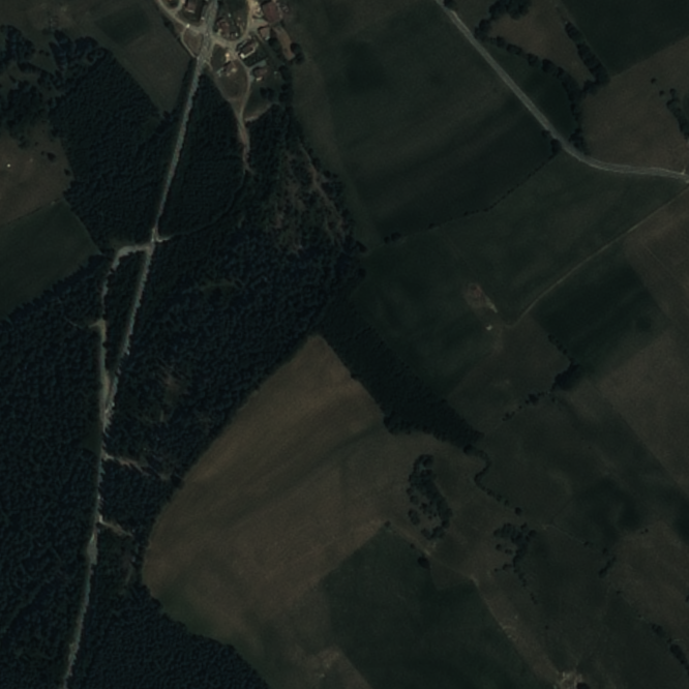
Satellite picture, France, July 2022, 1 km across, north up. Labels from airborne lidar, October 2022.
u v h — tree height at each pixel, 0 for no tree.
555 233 0
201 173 14
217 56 0
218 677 21
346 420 0
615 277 0
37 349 26
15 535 36
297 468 0
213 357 18
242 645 0
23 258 0
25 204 0
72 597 30
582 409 0
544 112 0
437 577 0
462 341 0
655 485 0
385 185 0
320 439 0
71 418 33
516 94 0
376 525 0
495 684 0
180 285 16
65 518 32
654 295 0
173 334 12
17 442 36
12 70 0
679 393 0
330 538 0
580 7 0
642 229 0
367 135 0
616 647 0
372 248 0
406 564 0
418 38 0
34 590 32
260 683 25
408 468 0
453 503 0
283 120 17
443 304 0
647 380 0
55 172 0
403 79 0
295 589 0
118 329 15
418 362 0
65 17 0
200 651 27
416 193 0
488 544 0
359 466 0
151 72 0
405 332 0
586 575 0
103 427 0
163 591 0
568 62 0
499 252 0
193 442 35
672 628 0
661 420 0
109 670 22
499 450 0
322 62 0
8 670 24
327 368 0
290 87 8
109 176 23
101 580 15
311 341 0
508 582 0
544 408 0
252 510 0
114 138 22
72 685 15
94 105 10
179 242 14
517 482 0
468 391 0
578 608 0
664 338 0
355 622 0
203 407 26
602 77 24
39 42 0
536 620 0
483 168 0
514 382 0
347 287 11
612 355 0
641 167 0
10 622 10
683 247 0
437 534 11
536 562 0
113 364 10
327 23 0
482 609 0
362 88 0
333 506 0
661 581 0
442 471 0
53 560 37
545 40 0
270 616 0
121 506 34
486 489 6
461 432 8
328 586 0
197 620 0
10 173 0
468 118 0
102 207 17
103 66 13
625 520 0
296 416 0
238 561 0
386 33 0
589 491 0
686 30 0
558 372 0
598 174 0
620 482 0
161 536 0
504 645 0
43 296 0
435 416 12
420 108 0
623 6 0
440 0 0
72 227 0
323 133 0
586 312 0
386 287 0
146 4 0
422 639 0
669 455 0
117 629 27
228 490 0
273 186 19
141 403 7
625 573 0
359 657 0
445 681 0
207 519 0
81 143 9
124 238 10
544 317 0
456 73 0
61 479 29
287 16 0
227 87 0
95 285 29
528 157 0
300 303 22
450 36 0
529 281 0
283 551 0
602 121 0
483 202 0
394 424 16
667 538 0
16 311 0
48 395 33
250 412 0
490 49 0
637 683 0
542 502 0
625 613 0
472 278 0
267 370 24
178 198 18
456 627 0
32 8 0
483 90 0
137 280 14
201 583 0
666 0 0
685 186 0
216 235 11
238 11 0
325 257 41
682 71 0
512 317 0
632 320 0
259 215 20
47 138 0
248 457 0
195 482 0
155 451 33
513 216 0
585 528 0
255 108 0
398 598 0
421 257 0
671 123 0
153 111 17
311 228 6
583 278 0
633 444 0
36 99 15
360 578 0
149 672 25
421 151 0
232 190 14
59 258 0
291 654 0
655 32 0
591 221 0
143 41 0
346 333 9
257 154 18
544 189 0
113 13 0
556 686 0
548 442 0
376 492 0
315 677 0
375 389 10
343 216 7
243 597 0
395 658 0
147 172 16
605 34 0
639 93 0
